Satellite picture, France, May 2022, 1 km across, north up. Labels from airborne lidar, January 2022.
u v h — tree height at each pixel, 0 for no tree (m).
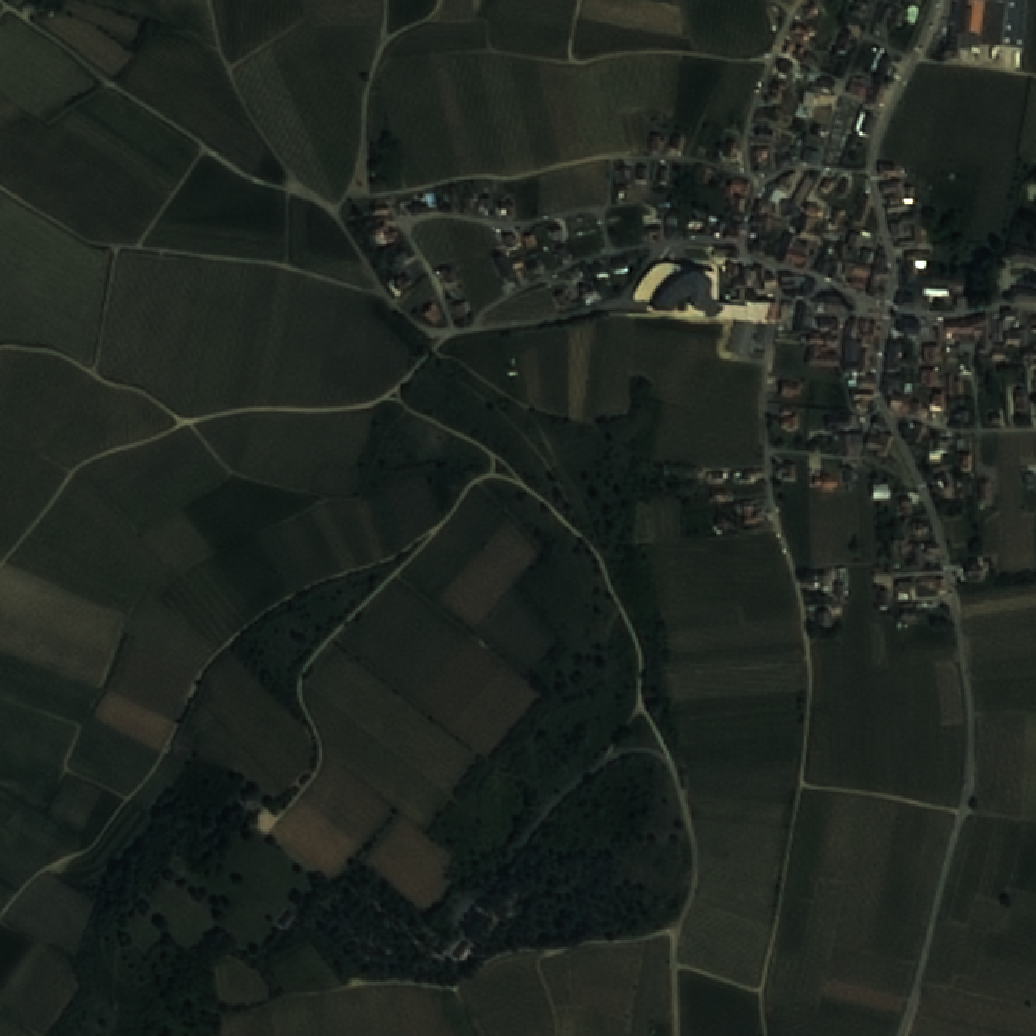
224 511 0
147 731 0
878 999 0
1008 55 0
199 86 0
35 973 0
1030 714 0
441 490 0
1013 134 0
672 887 0
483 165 0
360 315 0
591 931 17
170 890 0
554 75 0
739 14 0
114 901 7
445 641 0
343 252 0
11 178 0
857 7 7
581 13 0
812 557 0
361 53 0
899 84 0
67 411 0
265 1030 0
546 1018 0
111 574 0
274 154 0
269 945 8
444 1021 0
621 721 0
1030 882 0
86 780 0
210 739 0
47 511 0
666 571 0
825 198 0
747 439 0
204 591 0
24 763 0
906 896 0
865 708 0
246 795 10
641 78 0
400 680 0
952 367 0
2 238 0
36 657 0
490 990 0
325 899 6
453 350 0
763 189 0
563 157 0
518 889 14
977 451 0
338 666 0
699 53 0
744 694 0
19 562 0
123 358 0
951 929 0
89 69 0
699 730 0
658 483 7
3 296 0
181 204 0
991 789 0
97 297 0
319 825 0
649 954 0
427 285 0
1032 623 0
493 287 0
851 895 0
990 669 0
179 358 0
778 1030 0
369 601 0
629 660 0
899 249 0
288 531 0
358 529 0
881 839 0
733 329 0
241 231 0
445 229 0
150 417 0
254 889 0
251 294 0
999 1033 0
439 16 0
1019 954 0
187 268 0
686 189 9
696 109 0
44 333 0
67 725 0
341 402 0
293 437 0
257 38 0
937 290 0
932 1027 0
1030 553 0
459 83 0
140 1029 6
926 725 0
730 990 0
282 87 0
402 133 0
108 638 0
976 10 0
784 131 0
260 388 0
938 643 0
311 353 0
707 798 0
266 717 0
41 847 0
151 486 0
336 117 0
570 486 0
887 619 0
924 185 0
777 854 0
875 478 8
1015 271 0
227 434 0
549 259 0
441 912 9
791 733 0
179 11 0
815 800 0
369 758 0
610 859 11
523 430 0
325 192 0
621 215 0
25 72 0
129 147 0
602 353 0
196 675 0
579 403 0
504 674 0
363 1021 0
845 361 0
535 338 0
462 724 0
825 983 0
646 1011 0
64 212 0
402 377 0
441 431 0
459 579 0
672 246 0
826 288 0
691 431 0
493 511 0
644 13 0
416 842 0
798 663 0
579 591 0
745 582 0
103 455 0
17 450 0
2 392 0
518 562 0
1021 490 0
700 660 0
